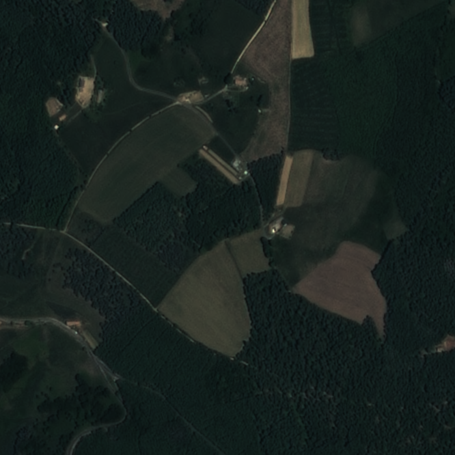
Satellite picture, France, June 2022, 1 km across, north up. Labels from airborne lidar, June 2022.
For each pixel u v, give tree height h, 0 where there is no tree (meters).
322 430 20
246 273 0
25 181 20
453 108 21
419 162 11
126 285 14
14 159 18
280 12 0
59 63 17
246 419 16
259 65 0
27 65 18
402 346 21
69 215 13
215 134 0
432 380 21
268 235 0
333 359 22
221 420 13
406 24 6
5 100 20
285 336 25
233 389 8
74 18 28
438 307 17
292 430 21
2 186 18
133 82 0
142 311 14
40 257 0
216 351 7
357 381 18
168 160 0
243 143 0
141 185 0
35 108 20
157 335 15
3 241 16
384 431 16
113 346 10
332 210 0
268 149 0
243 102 0
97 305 15
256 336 15
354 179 0
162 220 14
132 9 23
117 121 0
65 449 7
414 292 18
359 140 6
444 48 13
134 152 0
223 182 11
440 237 15
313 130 0
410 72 10
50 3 27
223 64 0
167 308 0
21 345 0
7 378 17
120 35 21
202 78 0
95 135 0
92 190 0
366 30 0
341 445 24
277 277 26
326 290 0
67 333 0
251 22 0
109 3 11
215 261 0
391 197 0
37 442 14
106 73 0
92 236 0
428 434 16
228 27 0
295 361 26
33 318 0
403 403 18
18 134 19
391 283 24
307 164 0
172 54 0
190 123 0
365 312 0
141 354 15
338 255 0
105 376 0
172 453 15
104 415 10
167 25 8
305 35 0
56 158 23
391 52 7
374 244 0
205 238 17
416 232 20
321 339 30
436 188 14
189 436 14
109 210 0
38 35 17
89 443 14
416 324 19
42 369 0
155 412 18
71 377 0
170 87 0
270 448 23
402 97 9
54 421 11
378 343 9
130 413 11
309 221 0
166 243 13
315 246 0
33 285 0
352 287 0
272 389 20
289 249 0
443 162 6
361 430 15
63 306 0
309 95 0
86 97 0
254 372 16
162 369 15
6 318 0
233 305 0
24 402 0
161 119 0
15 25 23
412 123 10
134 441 13
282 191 0
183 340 14
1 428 0
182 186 0
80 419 9
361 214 0
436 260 18
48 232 0
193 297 0
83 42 23
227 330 0
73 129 0
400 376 19
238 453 14
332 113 0
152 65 0
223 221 12
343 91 6
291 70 0
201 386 20
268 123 0
